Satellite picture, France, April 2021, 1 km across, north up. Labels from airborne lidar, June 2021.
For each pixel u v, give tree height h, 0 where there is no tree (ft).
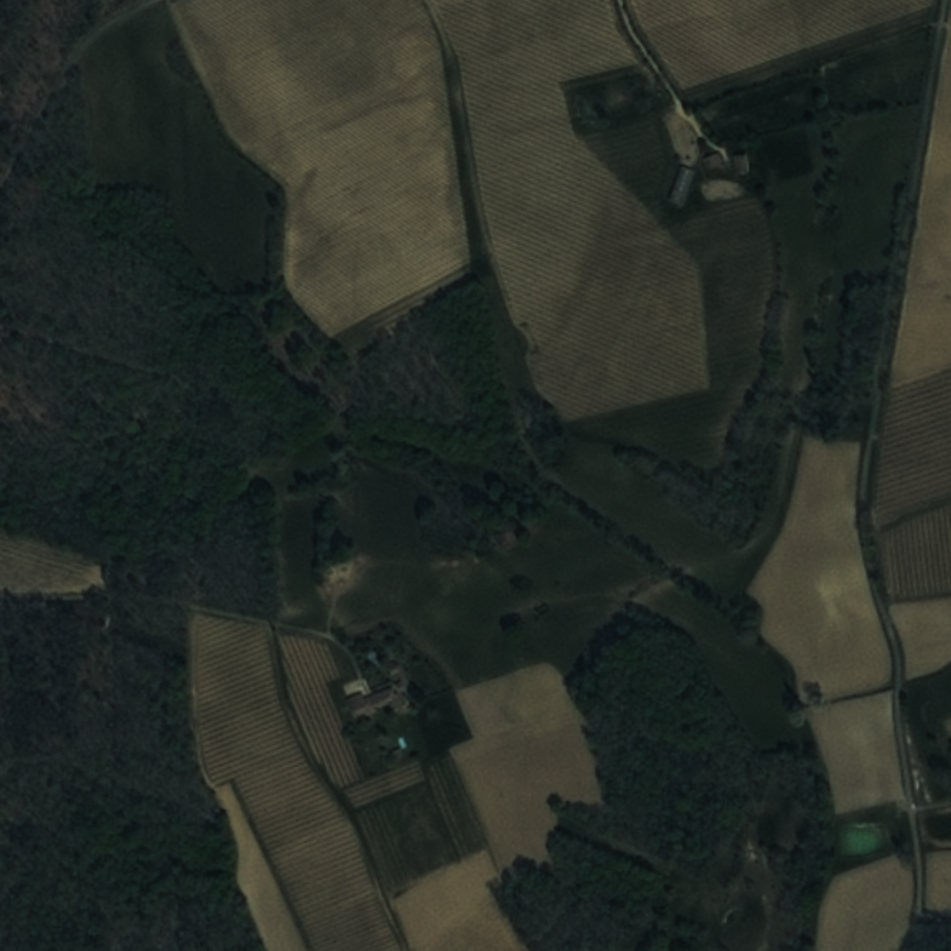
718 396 0
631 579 0
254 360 81
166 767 74
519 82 0
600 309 0
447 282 0
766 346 40
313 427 88
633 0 0
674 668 74
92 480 93
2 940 58
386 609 0
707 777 59
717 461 0
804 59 0
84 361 50
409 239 0
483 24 0
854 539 0
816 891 73
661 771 83
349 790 0
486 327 54
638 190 0
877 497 0
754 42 0
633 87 23
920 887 0
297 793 0
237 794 0
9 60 49
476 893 0
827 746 0
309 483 57
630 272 0
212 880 84
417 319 50
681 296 0
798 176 0
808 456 0
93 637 51
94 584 0
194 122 0
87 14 31
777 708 0
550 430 29
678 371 0
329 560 59
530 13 0
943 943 73
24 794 27
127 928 51
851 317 69
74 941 77
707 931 52
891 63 0
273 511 71
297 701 0
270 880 0
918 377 0
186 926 59
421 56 0
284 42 0
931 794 0
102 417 71
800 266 0
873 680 0
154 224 61
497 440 58
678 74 0
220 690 0
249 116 0
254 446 64
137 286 72
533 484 24
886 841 0
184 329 72
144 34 0
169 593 57
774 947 0
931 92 0
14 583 0
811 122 44
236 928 80
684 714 70
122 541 68
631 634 69
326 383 78
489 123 0
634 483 0
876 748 0
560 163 0
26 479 89
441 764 0
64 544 65
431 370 62
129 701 49
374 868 0
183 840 71
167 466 76
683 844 67
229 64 0
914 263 0
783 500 0
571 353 0
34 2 50
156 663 71
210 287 47
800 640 0
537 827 0
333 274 0
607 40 0
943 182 0
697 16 0
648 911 73
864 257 0
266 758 0
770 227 0
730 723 71
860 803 0
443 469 65
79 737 70
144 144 0
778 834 0
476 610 0
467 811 0
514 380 0
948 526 0
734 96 27
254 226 0
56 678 22
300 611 0
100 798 70
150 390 55
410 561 0
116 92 0
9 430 38
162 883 71
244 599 66
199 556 61
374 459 47
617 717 67
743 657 0
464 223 0
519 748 0
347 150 0
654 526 0
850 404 52
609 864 55
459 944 0
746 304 0
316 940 0
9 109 27
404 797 0
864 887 0
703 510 66
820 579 0
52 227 63
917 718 0
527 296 0
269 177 26
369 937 0
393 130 0
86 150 65
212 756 0
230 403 65
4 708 40
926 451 0
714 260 0
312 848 0
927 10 0
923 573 0
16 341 48
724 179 0
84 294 62
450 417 85
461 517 58
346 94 0
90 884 59
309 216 0
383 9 0
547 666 0
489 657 0
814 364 67
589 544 0
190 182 0
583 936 42
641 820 67
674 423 0
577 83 0
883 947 0
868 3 0
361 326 0
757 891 0
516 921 45
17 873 64
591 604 0
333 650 0
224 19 0
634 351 0
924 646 0
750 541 39
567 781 0
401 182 0
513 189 0
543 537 0
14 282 49
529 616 0
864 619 0
